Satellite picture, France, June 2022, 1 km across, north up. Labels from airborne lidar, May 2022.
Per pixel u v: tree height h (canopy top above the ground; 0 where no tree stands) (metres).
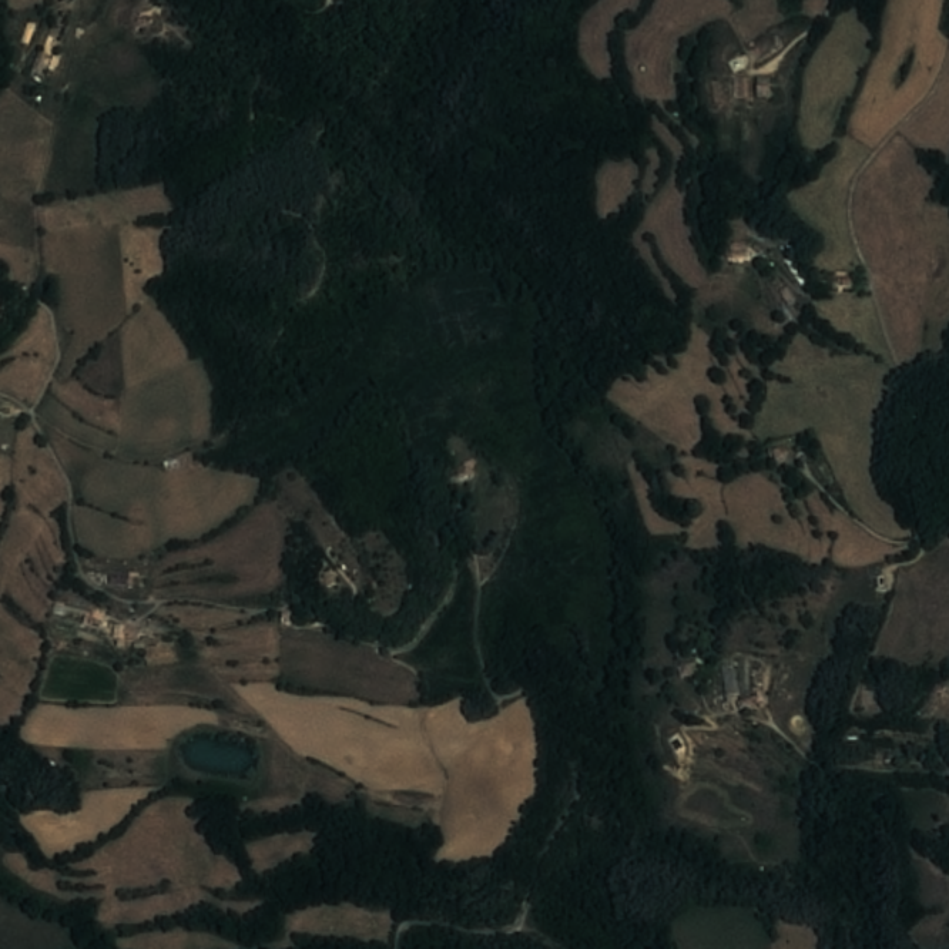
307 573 9
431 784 0
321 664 0
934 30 0
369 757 0
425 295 0
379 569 9
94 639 0
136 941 0
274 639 0
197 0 10
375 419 15
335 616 17
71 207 0
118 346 0
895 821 10
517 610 7
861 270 9
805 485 14
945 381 25
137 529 0
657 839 18
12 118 0
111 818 0
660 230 0
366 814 12
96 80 0
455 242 18
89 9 0
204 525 0
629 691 7
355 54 10
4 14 7
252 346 12
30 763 16
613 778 15
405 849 17
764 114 0
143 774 0
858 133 0
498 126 14
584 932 7
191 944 0
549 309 25
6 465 0
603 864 10
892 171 0
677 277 7
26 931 0
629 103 8
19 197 0
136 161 15
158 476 0
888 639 0
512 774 0
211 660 0
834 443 0
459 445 0
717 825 0
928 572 0
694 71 12
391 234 16
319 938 10
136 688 0
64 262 0
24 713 10
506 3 15
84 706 9
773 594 14
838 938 17
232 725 0
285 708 0
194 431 0
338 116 19
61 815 15
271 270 13
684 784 0
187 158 6
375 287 7
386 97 15
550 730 17
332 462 14
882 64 0
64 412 0
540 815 13
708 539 0
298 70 21
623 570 13
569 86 16
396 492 11
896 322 0
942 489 14
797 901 19
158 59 13
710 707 0
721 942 0
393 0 18
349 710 0
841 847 25
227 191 18
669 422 0
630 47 0
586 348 8
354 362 0
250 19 10
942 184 15
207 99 10
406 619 14
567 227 11
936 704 0
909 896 9
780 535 0
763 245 0
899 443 25
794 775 8
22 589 0
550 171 20
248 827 13
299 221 11
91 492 0
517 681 22
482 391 0
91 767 0
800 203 0
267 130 10
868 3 13
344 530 9
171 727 0
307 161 25
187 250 13
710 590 9
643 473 13
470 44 22
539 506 0
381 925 0
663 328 16
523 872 14
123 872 0
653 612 0
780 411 0
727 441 12
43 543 0
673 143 0
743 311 0
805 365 0
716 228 16
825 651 0
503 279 27
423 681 13
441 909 15
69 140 0
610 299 12
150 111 9
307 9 16
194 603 8
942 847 18
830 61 0
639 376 21
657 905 22
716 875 21
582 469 12
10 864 0
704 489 0
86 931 17
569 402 15
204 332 11
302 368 18
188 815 15
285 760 0
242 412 13
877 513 0
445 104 23
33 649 0
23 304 8
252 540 0
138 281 0
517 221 14
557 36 11
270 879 9
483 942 19
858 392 0
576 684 24
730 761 0
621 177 0
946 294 0
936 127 0
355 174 17
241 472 11
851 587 0
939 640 0
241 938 15
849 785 12
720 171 14
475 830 0
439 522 26
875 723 9
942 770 15
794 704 0
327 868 16
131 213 0
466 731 0
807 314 14
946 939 0
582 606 0
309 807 11
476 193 12
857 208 0
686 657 9
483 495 0
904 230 0
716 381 17
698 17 0
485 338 25
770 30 0
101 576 0
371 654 0
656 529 0
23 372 0
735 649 0
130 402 0
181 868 0
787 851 0
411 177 14
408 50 23
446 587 16
